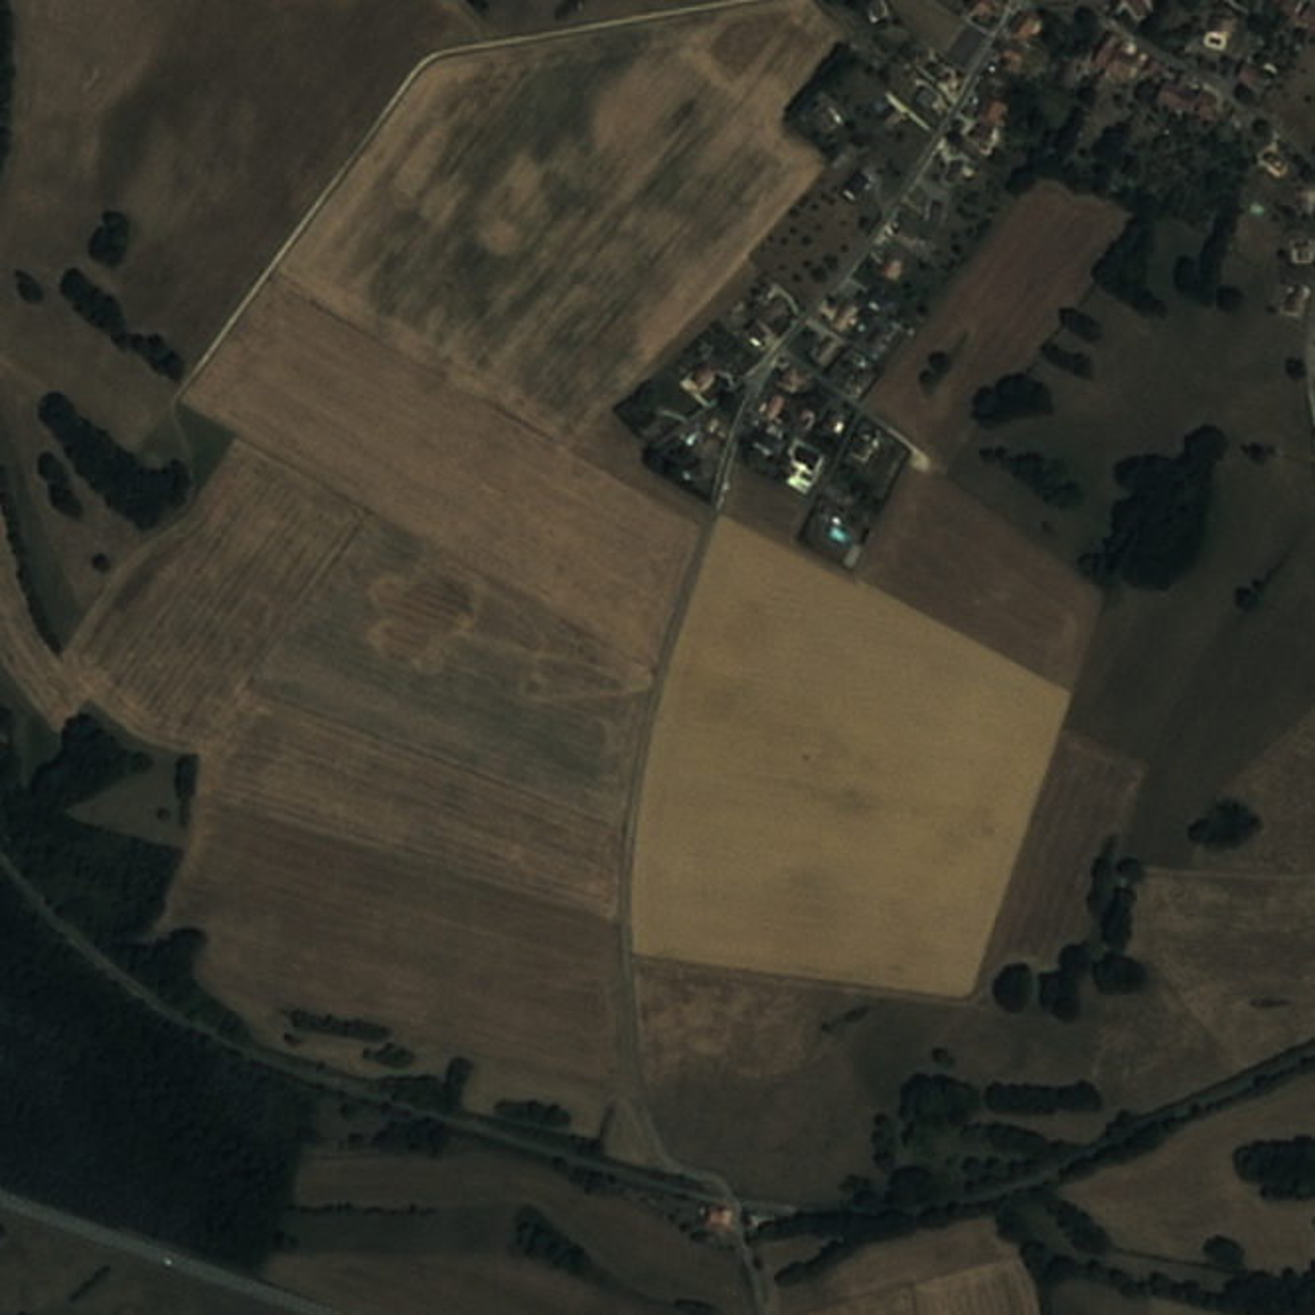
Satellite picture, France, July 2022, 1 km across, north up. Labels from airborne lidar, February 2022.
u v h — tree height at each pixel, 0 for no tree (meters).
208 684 0
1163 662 0
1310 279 0
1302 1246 0
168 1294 0
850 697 0
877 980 0
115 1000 9
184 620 0
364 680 0
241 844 0
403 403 0
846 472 7
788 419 6
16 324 0
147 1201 10
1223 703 0
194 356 0
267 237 0
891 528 0
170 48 0
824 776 0
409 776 0
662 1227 0
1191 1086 0
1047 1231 0
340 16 0
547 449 0
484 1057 0
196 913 0
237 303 0
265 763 0
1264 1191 6
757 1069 0
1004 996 16
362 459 0
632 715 0
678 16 0
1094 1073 0
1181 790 0
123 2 0
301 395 0
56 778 15
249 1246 13
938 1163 0
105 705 0
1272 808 0
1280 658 0
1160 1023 0
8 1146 11
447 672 0
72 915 8
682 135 0
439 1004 0
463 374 0
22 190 0
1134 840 0
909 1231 15
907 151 0
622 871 0
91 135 0
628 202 0
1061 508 9
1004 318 0
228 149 0
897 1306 0
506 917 0
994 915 0
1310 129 0
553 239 0
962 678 0
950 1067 7
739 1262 0
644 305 0
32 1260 0
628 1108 0
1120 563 23
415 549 0
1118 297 12
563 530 0
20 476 0
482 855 0
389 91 0
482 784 0
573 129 0
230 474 0
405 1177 0
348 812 0
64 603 0
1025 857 0
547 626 0
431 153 0
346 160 0
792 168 0
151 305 0
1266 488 0
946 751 0
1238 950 0
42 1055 9
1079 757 0
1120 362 0
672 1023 0
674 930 0
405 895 0
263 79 0
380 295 0
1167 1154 0
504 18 0
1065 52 8
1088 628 0
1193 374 0
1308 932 0
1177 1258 0
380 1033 6
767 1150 0
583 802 0
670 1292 0
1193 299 8
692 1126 0
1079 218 0
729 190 0
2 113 13
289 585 0
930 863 0
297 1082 8
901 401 0
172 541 0
